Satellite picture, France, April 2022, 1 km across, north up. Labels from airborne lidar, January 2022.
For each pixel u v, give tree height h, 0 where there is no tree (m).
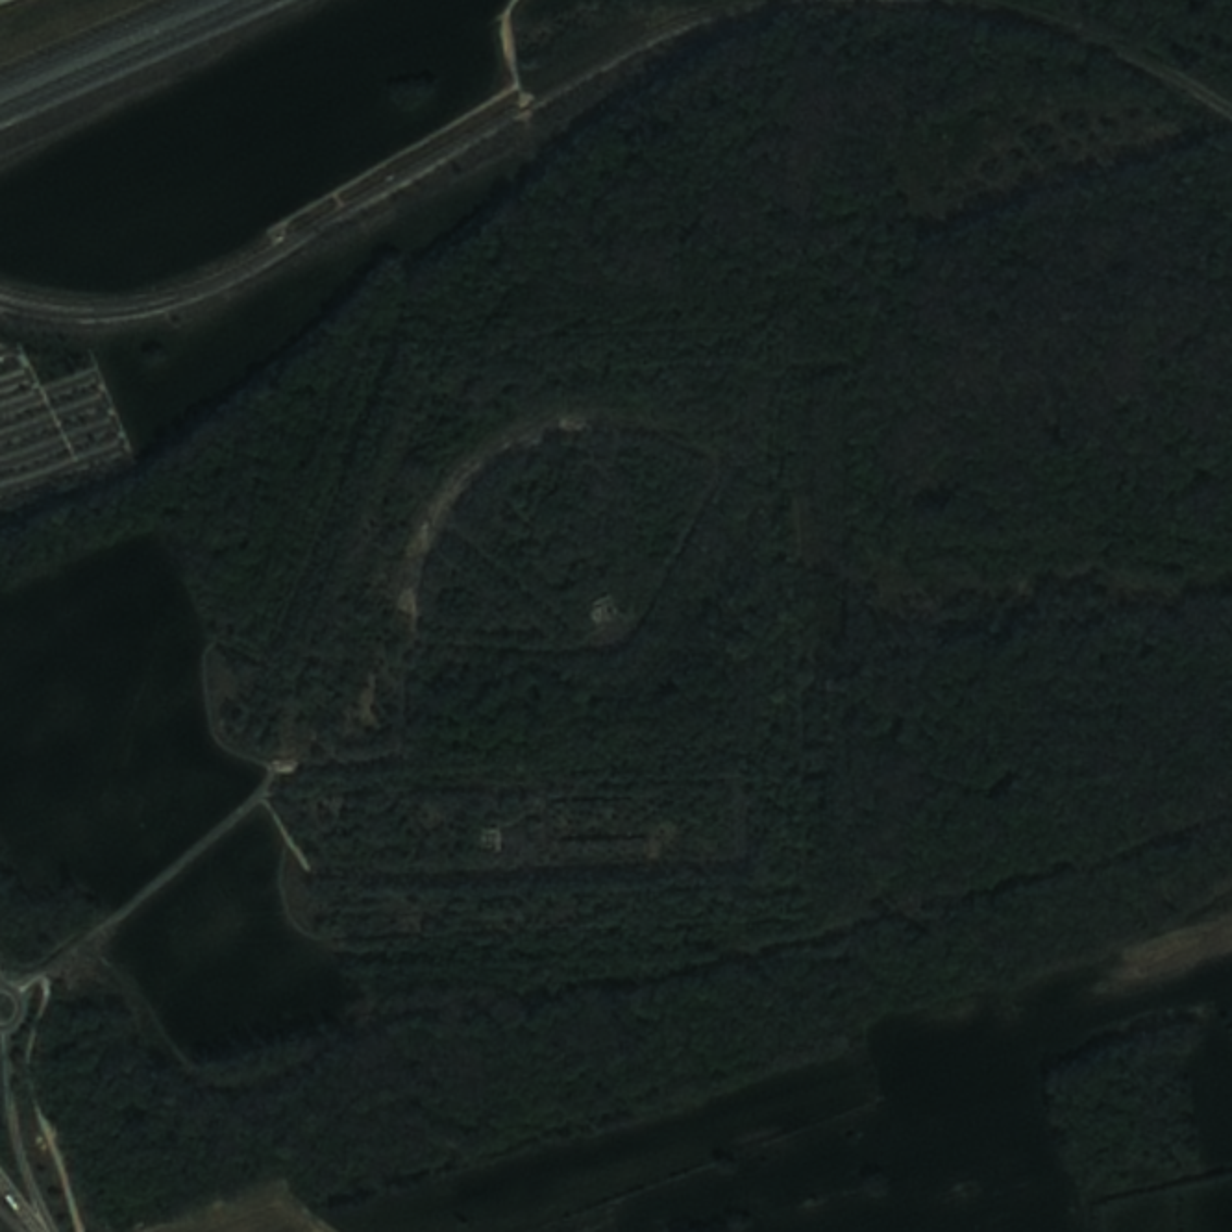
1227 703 22
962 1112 0
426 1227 0
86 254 0
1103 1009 0
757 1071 17
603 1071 26
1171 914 26
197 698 0
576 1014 30
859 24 19
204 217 0
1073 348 26
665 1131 0
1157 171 23
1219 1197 0
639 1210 0
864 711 25
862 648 23
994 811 28
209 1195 27
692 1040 25
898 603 0
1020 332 27
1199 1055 0
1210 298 27
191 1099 28
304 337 7
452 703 20
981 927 26
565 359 16
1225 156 27
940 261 27
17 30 0
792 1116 0
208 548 24
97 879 0
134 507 23
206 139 0
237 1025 0
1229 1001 0
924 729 24
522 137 0
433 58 0
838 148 24
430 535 0
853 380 19
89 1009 18
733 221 26
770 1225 0
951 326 26
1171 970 0
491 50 0
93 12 0
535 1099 25
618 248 26
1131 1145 22
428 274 23
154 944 0
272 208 0
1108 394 27
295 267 0
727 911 12
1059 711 28
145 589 0
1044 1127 0
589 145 22
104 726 0
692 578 18
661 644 20
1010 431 26
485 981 22
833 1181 0
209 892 0
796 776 14
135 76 0
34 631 0
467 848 14
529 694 19
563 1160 0
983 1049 0
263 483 23
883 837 26
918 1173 0
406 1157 24
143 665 0
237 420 24
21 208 0
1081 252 23
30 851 0
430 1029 30
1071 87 27
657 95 18
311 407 21
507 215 24
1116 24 20
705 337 11
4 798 0
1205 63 27
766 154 24
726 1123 0
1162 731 26
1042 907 25
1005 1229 0
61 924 18
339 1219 0
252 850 0
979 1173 0
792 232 31
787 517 10
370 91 0
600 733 15
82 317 0
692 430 10
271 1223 0
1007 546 20
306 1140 31
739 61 27
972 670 25
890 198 25
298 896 0
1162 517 22
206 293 0
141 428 0
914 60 20
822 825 10
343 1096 33
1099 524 24
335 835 7
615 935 9
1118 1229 0
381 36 0
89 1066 23
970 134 0
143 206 0
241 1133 31
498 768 10
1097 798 22
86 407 0
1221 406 27
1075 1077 20
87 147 0
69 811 0
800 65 25
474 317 9
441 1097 25
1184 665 27
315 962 0
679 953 17
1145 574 18
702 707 22
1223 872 30
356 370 18
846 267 27
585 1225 0
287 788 12
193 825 0
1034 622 23
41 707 0
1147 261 27
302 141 0
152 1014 0
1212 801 28
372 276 12
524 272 21
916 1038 0
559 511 14
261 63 0
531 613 18
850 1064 0
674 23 0
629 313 12
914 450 28
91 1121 23
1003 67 23
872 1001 25
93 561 0
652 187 25
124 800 0
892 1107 0
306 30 0
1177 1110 15
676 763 13
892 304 22
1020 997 0
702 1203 0
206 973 0
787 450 8
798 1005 29
